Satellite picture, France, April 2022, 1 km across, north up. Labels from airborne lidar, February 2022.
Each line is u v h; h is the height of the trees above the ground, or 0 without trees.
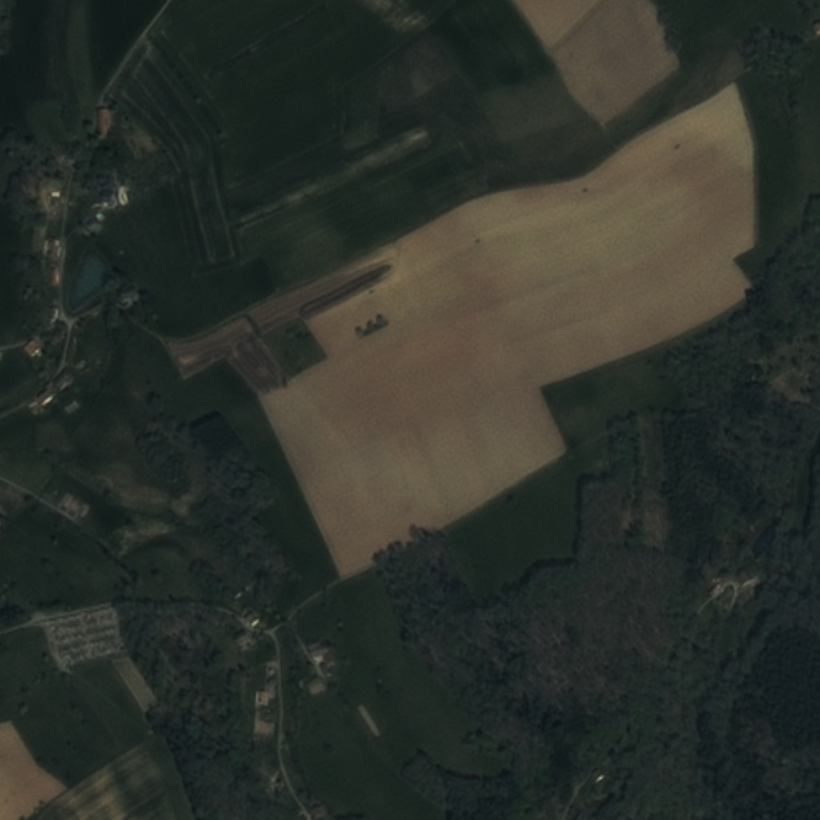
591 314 0
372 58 0
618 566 31
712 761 25
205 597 0
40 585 0
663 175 0
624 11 0
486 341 0
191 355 0
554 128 0
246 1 0
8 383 0
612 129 0
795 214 0
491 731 26
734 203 0
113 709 0
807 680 16
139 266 0
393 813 0
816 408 21
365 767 0
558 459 0
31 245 0
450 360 0
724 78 0
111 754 0
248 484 25
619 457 22
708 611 0
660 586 33
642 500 15
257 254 0
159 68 0
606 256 0
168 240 0
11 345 0
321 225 0
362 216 0
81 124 0
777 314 31
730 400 25
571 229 0
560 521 0
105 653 0
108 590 0
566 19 0
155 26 0
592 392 0
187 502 0
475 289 0
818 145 0
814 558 23
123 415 0
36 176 13
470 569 0
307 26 0
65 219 0
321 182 0
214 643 16
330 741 0
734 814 23
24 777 0
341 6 0
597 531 28
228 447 21
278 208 0
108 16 0
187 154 0
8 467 0
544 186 0
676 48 17
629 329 0
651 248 0
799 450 34
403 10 0
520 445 0
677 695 27
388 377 0
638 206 0
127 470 0
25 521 0
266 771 22
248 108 0
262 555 21
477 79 0
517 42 0
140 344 0
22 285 0
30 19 0
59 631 0
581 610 29
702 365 21
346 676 0
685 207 0
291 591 0
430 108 0
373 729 0
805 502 0
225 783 30
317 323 0
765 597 20
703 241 0
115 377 0
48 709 0
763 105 0
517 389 0
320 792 0
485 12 0
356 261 0
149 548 0
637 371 0
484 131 0
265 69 0
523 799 28
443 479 0
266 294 0
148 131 0
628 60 0
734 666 17
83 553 0
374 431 0
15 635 0
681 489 19
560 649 34
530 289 0
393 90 0
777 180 0
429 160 0
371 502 0
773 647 18
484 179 0
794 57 21
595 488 26
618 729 23
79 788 0
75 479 0
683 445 15
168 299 0
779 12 0
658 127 0
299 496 0
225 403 0
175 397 0
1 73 0
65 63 0
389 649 0
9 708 0
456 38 0
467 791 20
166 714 29
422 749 0
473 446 0
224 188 0
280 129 0
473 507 0
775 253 0
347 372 0
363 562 0
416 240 0
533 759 28
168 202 0
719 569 23
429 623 24
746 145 0
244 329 0
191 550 0
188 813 0
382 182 0
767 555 0
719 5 0
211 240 0
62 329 13
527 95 0
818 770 18
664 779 29
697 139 0
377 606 0
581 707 21
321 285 0
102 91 0
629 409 0
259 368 0
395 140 0
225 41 0
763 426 22
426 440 0
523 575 0
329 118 0
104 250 0
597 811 7
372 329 8
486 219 0
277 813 23
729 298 0
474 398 0
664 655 27
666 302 0
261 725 0
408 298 0
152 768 0
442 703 0
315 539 0
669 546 14
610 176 0
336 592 0
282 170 0
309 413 0
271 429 0
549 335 0
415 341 0
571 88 0
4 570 0
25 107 0
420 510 0
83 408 0
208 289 0
